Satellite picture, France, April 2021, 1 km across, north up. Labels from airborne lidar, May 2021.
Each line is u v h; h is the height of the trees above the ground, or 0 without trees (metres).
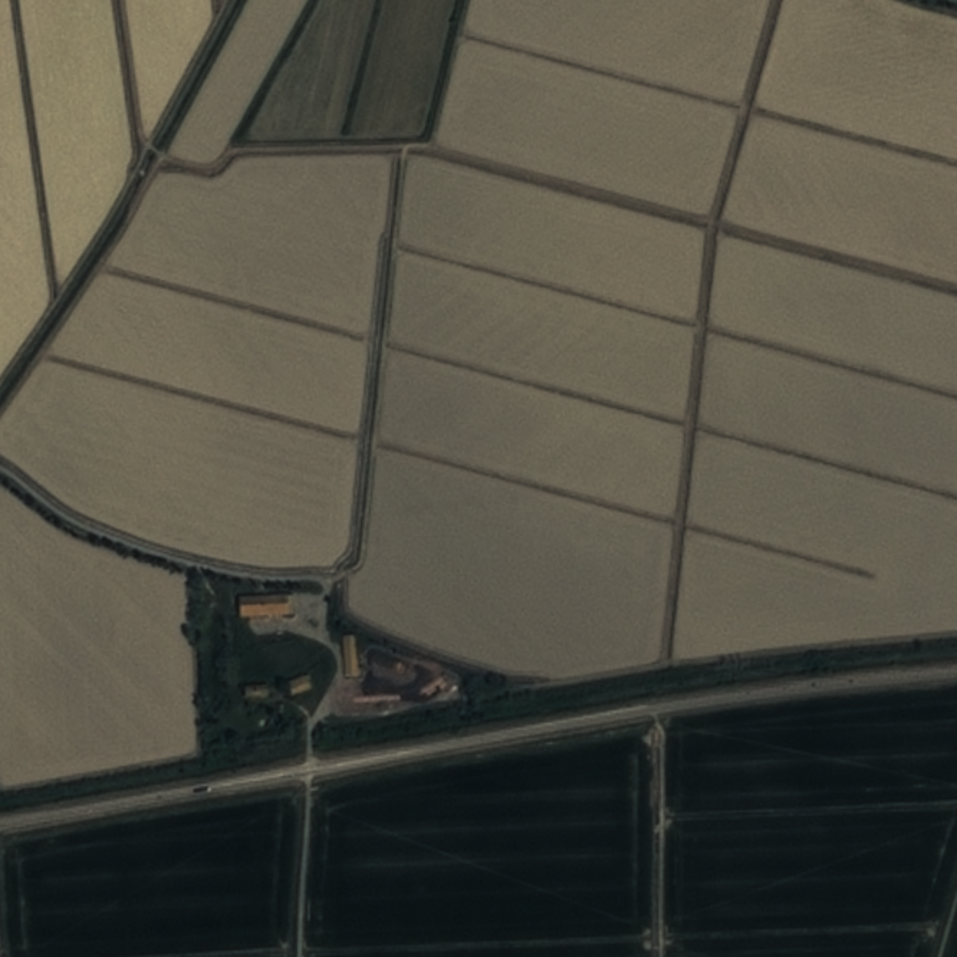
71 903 0
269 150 0
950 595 0
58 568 0
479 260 0
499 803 0
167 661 0
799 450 0
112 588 0
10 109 0
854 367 0
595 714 0
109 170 0
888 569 0
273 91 0
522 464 0
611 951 0
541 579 0
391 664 0
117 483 0
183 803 0
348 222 0
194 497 0
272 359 0
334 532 0
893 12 0
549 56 0
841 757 0
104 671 0
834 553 0
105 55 0
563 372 0
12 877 0
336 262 0
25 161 0
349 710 0
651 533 0
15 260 0
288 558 0
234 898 0
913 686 0
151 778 0
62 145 0
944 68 0
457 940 0
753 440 0
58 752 0
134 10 0
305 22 0
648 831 0
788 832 0
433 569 0
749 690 0
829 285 0
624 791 0
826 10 0
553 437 0
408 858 0
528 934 0
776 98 0
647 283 0
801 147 0
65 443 0
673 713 0
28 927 0
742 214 0
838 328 0
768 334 0
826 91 0
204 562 0
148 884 0
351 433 0
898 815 0
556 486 0
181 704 0
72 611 0
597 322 0
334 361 0
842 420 0
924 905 0
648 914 0
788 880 0
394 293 0
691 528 0
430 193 0
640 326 0
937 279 0
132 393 0
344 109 0
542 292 0
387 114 0
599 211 0
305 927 0
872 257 0
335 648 0
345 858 0
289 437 0
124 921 0
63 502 0
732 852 0
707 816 0
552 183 0
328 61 0
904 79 0
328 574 0
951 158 0
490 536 0
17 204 0
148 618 0
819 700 0
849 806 0
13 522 0
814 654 9
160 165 0
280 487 0
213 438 0
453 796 0
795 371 0
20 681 0
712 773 0
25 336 0
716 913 0
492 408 0
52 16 0
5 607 0
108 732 0
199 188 0
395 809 0
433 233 0
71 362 0
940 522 0
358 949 0
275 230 0
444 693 0
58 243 0
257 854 0
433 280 0
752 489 0
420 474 0
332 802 0
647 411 0
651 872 0
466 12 0
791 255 0
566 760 0
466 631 0
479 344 0
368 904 0
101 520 0
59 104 0
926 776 0
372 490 0
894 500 0
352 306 0
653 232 0
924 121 0
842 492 0
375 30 0
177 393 0
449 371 0
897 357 0
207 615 20
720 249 0
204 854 0
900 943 0
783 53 0
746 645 0
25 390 0
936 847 0
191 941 0
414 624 0
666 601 0
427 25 0
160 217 0
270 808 0
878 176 0
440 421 0
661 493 0
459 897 0
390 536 0
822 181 0
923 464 0
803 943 0
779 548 0
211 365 0
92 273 0
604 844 0
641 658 0
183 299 0
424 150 0
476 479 0
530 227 0
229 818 0
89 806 0
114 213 0
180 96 0
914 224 0
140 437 0
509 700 9
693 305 0
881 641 0
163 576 0
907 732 0
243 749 6
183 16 0
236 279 0
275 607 0
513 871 0
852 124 0
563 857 0
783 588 0
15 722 0
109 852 0
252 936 0
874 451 0
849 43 0
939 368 0
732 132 0
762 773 0
